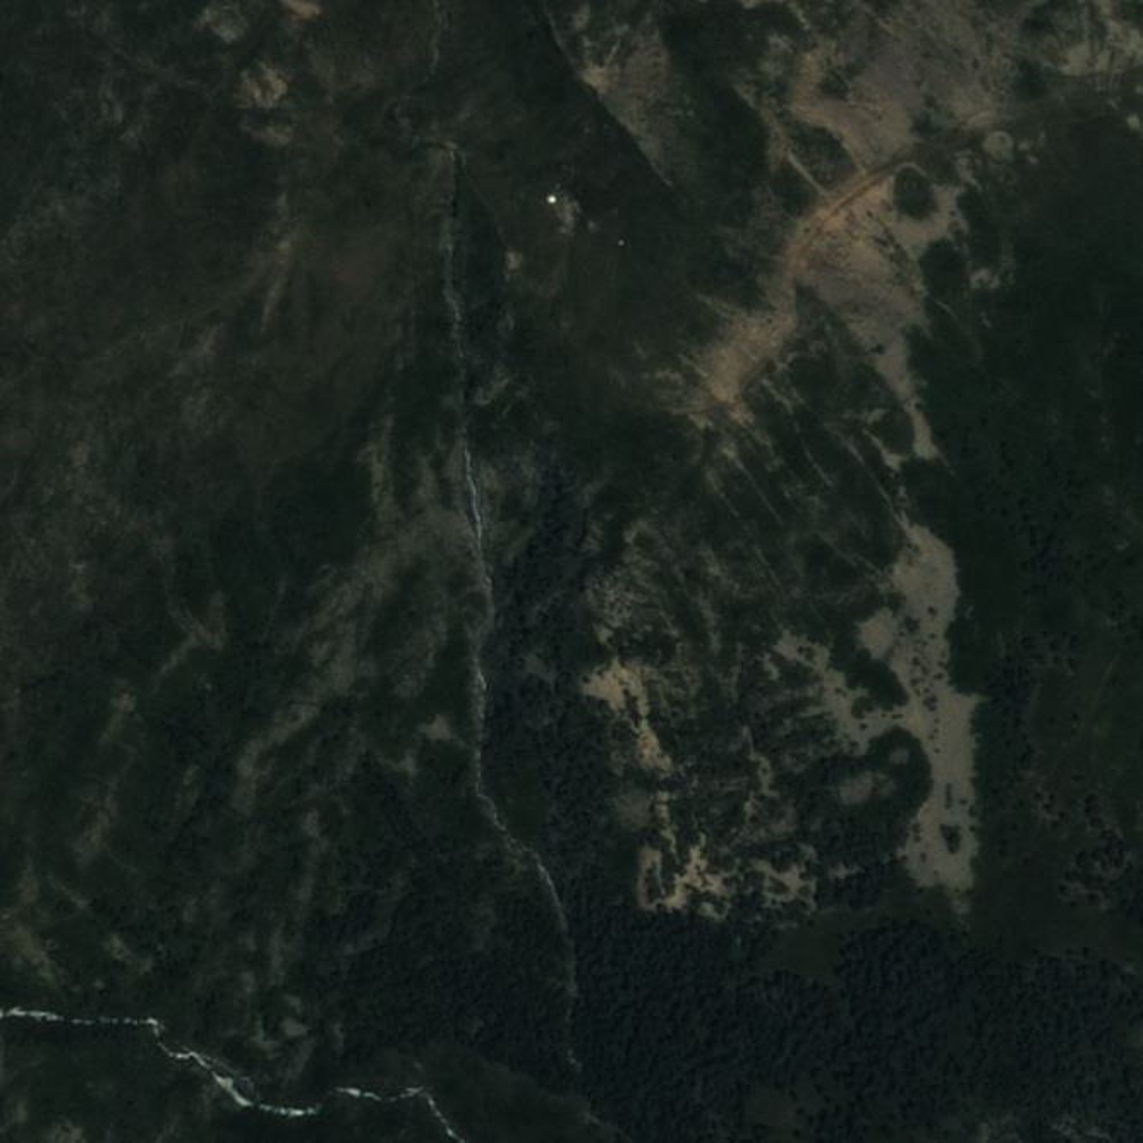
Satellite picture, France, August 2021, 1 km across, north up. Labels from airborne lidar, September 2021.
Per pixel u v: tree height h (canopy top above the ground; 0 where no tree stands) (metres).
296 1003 0
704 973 16
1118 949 0
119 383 0
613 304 0
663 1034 13
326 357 0
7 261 0
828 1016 12
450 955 13
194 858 6
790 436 0
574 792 6
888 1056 13
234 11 0
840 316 0
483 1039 16
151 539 0
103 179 0
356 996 6
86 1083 0
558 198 0
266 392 0
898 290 0
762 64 0
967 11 0
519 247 0
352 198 0
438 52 0
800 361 0
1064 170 0
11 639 0
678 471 0
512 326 0
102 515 0
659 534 0
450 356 0
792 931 0
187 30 0
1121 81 0
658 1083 9
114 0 0
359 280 0
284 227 0
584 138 0
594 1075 9
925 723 0
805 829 7
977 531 0
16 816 0
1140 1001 17
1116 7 0
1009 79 0
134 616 0
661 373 0
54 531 0
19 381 0
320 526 0
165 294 0
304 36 0
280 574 0
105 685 0
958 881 0
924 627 0
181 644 0
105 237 0
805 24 0
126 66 0
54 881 0
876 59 0
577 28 0
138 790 0
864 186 0
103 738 0
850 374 0
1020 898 0
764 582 0
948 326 0
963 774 0
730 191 0
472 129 0
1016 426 0
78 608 0
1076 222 0
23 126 0
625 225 0
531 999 13
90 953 0
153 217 0
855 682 0
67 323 0
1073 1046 11
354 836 0
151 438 0
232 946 0
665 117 0
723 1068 20
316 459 0
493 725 7
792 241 0
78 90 0
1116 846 10
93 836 0
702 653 0
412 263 0
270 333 0
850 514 0
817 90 0
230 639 0
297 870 9
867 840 16
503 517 0
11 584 0
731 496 0
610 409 0
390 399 0
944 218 0
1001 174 0
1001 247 0
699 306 0
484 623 0
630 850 0
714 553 0
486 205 0
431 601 0
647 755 0
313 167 0
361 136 0
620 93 0
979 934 0
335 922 12
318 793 0
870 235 0
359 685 0
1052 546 13
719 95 0
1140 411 0
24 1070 0
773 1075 19
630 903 11
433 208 0
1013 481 0
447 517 0
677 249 0
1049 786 0
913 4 0
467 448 0
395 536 0
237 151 0
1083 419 0
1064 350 0
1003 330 0
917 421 0
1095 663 0
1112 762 0
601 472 0
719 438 0
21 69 0
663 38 0
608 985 23
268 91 0
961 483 0
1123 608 9
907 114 0
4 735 0
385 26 0
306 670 0
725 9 0
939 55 0
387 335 0
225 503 0
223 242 0
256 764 0
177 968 6
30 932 0
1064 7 0
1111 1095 19
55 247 0
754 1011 11
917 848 0
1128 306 0
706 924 19
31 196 0
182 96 0
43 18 0
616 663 0
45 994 0
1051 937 0
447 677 0
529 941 9
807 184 0
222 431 0
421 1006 11
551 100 0
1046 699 0
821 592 0
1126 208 0
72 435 0
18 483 0
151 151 0
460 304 0
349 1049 8
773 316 0
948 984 6
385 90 0
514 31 0
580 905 18
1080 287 0
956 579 0
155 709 0
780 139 0
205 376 0
